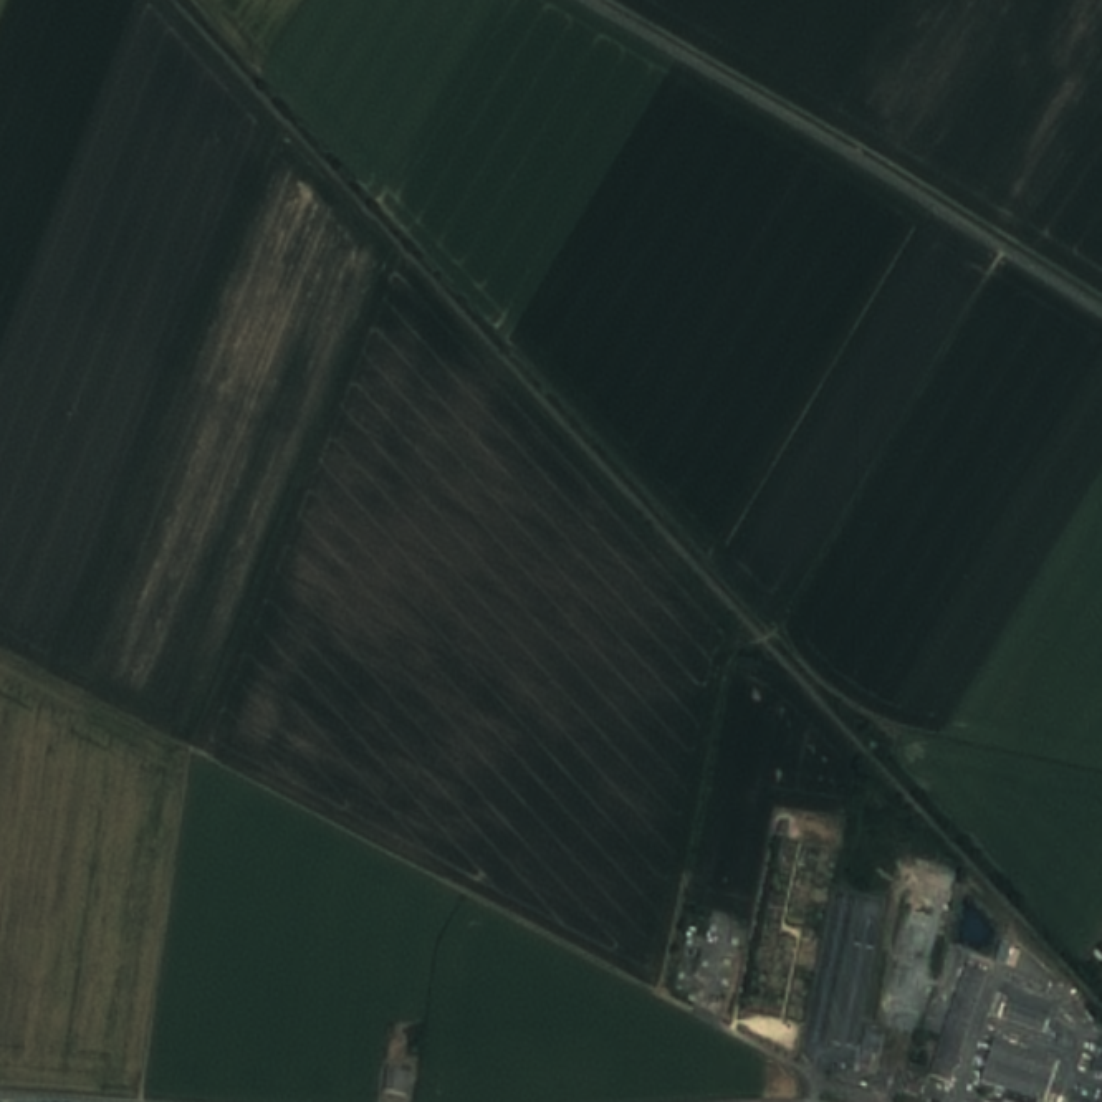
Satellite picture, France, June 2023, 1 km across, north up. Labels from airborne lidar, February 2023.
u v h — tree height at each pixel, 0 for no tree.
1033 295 0
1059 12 0
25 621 0
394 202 0
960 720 0
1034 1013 0
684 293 0
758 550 0
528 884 0
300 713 0
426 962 0
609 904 0
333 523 0
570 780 0
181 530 0
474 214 0
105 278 0
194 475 0
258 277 0
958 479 0
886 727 0
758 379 0
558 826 0
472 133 0
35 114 0
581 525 0
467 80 0
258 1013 0
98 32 0
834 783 0
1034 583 0
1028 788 0
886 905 0
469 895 0
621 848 0
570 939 0
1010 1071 0
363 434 0
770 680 0
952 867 0
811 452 0
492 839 0
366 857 0
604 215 0
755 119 0
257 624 0
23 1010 0
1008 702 0
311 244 0
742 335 0
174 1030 0
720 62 0
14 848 0
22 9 0
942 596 0
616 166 0
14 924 0
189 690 0
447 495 0
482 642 0
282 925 0
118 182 0
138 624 0
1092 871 0
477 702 0
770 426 0
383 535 0
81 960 0
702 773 0
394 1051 0
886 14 0
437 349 0
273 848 0
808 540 0
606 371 0
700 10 0
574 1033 0
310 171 0
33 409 0
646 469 0
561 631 0
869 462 0
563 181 0
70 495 0
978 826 0
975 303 0
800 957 0
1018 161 0
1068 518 0
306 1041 0
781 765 0
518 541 0
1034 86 0
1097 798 0
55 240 0
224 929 0
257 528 0
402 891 0
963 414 0
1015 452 0
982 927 0
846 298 0
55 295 0
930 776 0
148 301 0
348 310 0
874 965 0
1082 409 0
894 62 0
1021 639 0
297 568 0
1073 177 0
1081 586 0
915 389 0
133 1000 0
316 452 0
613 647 0
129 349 0
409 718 0
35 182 0
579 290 0
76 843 0
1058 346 0
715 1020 0
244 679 0
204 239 0
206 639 0
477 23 0
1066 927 0
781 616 0
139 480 0
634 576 0
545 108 0
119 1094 0
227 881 0
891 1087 0
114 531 0
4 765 0
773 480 0
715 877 0
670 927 0
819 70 0
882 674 0
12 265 0
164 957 0
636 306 0
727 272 0
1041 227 0
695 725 0
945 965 0
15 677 0
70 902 0
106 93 0
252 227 0
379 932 0
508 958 0
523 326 0
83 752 0
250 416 0
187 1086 0
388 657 0
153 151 0
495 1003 0
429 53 0
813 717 0
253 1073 0
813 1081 0
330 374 0
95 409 0
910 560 0
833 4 0
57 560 0
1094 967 6
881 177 0
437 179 0
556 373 0
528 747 0
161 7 0
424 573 0
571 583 0
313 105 0
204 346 0
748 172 0
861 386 0
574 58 0
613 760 0
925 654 0
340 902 0
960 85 0
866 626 0
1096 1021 14
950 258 0
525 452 0
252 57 0
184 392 0
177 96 0
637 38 0
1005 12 0
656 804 0
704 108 0
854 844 0
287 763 0
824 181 0
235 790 0
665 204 0
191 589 0
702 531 0
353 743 0
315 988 0
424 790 0
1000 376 0
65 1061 0
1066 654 0
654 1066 0
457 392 0
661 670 0
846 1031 0
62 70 0
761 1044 0
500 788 0
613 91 0
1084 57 0
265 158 0
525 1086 0
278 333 0
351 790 0
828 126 0
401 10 0
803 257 0
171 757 0
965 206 0
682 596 0
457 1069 0
